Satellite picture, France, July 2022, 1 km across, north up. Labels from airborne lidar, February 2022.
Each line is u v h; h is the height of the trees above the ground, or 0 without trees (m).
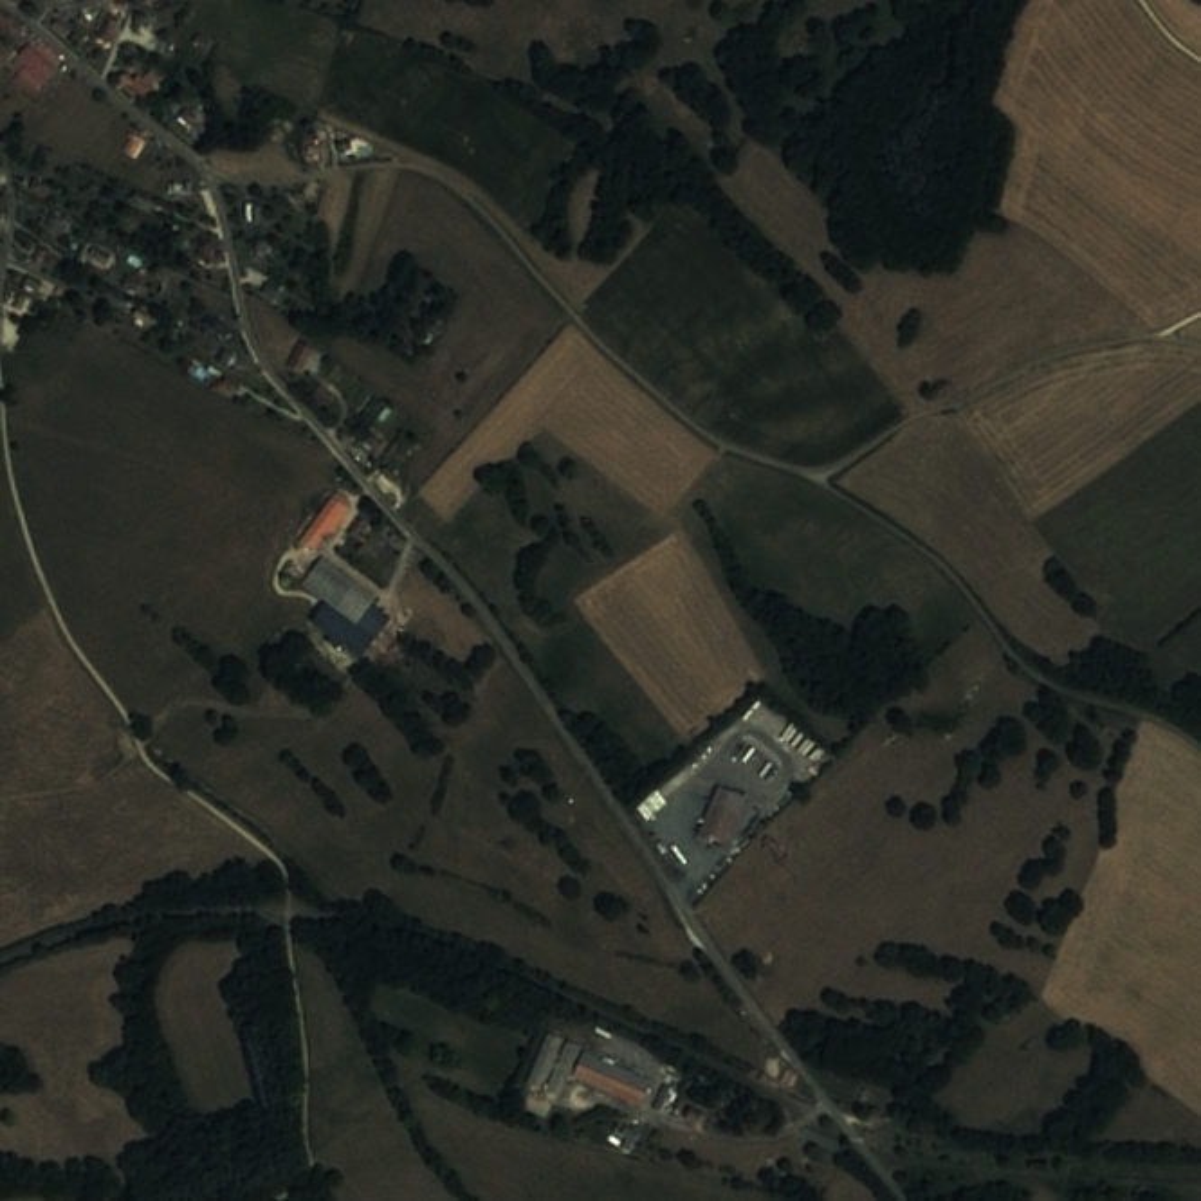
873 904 0
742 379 0
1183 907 0
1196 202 0
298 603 0
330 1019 0
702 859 0
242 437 0
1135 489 0
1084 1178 0
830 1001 14
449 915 0
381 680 18
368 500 11
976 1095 0
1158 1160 14
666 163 19
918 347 0
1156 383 0
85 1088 0
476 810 0
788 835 0
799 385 0
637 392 0
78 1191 13
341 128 0
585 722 13
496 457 0
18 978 0
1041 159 0
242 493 0
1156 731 0
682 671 0
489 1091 0
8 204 0
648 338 0
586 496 0
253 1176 19
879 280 0
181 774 18
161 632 0
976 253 0
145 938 11
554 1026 0
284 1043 18
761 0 0
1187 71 0
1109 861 0
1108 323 0
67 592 0
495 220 0
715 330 0
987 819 0
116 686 0
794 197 0
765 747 0
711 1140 0
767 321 0
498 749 0
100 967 0
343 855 0
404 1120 12
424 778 0
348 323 15
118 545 0
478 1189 0
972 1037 18
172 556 0
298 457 0
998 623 0
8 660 0
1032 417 0
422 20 0
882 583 0
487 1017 10
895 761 0
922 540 0
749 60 20
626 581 0
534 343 0
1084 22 0
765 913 0
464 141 0
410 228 0
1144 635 0
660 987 0
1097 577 0
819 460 0
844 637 17
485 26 0
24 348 0
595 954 0
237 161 0
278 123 0
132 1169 17
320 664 0
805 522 0
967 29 26
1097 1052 9
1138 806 0
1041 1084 0
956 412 0
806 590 0
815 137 21
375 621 0
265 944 11
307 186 0
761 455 0
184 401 0
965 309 0
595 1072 0
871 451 0
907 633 16
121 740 0
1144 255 0
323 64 0
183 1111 10
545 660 0
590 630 0
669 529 0
